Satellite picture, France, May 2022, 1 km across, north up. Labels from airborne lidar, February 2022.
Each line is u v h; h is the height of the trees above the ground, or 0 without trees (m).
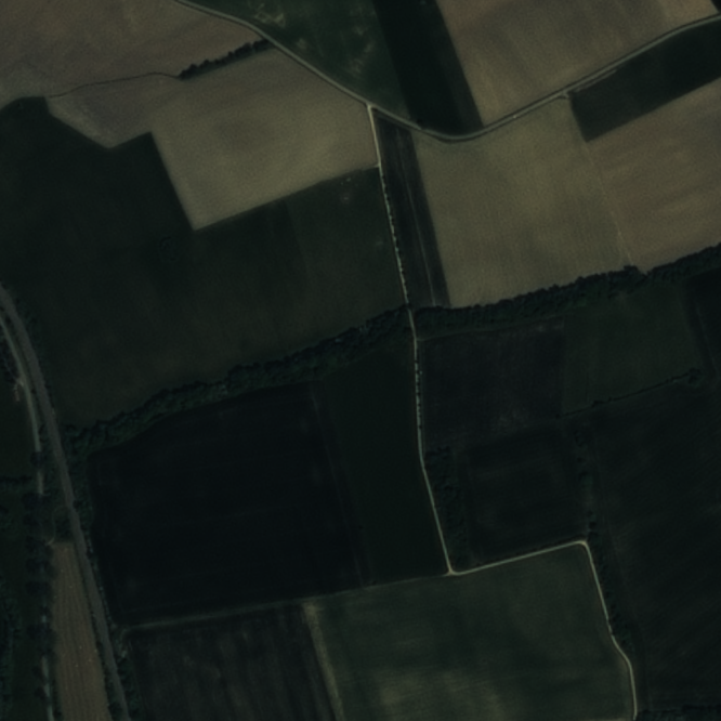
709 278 0
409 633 0
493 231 0
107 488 0
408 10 0
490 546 0
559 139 0
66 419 0
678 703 0
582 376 0
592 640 0
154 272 0
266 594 0
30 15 0
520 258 0
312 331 0
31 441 0
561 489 0
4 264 0
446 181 0
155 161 0
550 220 0
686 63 0
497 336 0
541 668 0
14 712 0
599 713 0
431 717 0
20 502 0
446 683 0
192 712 0
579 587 0
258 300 0
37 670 0
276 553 0
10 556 0
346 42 0
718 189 0
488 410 0
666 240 0
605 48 0
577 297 17
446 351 0
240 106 0
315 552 0
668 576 0
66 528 7
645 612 0
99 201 0
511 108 0
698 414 0
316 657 0
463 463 0
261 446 0
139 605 0
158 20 0
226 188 0
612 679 0
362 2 0
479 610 0
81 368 0
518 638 0
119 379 0
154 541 0
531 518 0
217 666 0
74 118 0
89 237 0
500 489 0
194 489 0
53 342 0
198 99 0
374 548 0
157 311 0
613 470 0
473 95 0
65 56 0
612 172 0
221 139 0
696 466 0
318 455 0
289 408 0
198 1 0
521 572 0
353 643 0
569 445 0
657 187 0
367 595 0
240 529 0
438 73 0
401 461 0
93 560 13
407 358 0
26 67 0
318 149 0
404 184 0
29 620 0
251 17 0
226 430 0
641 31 0
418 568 0
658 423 0
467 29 0
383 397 0
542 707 0
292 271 0
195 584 0
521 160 0
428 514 0
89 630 0
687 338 0
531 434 0
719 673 0
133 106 0
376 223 0
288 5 0
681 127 0
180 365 0
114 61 0
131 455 0
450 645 0
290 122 0
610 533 0
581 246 0
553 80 0
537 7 0
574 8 0
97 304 0
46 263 0
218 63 8
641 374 0
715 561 0
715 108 0
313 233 0
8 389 0
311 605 0
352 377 0
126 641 0
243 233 0
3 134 0
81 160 0
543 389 0
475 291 0
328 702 0
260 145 0
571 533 0
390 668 0
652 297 0
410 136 0
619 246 0
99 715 0
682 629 0
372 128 0
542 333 0
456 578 0
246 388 7
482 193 0
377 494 0
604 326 0
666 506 0
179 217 0
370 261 0
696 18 0
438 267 0
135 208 0
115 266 0
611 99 0
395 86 0
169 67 0
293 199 0
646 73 0
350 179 0
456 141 0
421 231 0
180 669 0
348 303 0
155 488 0
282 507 0
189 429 0
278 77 0
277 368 15
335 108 0
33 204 0
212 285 0
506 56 0
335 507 0
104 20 0
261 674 0
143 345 0
